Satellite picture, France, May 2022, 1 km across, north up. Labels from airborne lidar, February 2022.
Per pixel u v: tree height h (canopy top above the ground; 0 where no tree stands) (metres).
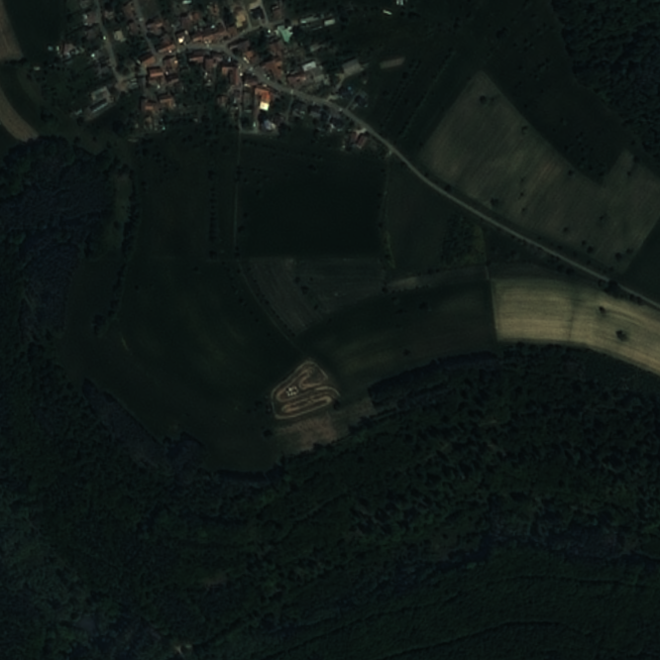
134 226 9
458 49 0
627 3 35
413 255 0
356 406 0
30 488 26
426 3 0
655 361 0
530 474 13
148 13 0
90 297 0
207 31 0
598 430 35
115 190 12
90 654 16
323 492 13
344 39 0
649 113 31
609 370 5
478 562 25
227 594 11
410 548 9
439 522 15
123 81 0
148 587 19
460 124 0
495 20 0
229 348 0
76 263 24
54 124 11
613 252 0
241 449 0
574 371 26
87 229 34
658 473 28
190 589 11
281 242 0
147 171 0
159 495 10
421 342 0
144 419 0
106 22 10
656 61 30
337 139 0
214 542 25
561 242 0
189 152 0
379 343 0
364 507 37
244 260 0
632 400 20
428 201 0
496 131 0
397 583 17
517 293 0
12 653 19
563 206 0
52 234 35
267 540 7
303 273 0
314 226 0
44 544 18
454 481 43
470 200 0
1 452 34
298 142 0
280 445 0
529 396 16
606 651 15
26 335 24
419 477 24
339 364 0
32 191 27
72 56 8
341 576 14
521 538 32
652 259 0
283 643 20
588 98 0
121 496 12
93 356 0
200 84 0
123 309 0
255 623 15
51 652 26
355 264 0
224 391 0
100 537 20
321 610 17
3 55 0
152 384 0
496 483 12
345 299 0
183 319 0
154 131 0
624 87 30
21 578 21
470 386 38
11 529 19
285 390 0
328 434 0
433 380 23
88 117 0
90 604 22
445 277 0
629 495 26
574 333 0
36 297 27
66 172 25
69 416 14
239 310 0
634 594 20
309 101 0
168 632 10
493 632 19
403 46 0
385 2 0
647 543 11
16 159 26
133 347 0
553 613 21
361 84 0
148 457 23
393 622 25
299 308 0
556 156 0
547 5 0
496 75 0
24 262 21
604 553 27
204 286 0
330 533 11
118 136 16
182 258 0
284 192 0
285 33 0
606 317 0
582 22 33
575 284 0
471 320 0
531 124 0
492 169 0
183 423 0
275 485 28
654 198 0
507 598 20
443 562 0
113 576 19
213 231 8
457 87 0
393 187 0
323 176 0
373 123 0
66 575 20
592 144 0
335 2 0
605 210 0
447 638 22
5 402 23
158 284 0
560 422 18
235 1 0
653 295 0
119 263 0
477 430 27
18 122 0
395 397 23
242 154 0
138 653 25
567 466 11
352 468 13
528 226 0
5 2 0
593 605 26
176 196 0
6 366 21
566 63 0
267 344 0
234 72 0
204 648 25
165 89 0
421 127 0
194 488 21
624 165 0
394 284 0
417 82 0
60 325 23
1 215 34
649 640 17
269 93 0
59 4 0
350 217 0
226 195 0
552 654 24
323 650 18
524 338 0
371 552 13
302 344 0
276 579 8
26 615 20
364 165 0
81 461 24
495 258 0
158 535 22
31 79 12
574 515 9
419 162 0
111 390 0
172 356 0
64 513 19
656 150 27
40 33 0
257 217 0
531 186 0
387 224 0
